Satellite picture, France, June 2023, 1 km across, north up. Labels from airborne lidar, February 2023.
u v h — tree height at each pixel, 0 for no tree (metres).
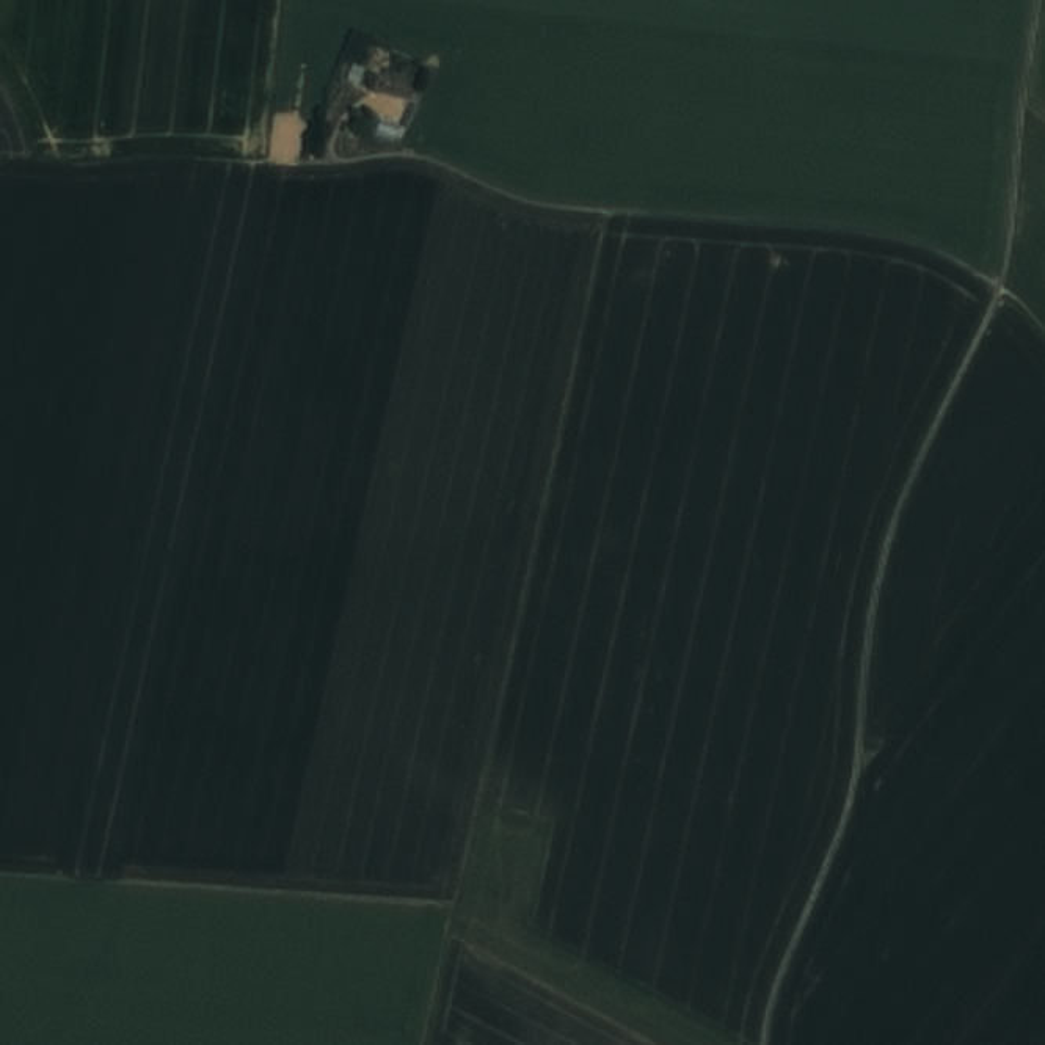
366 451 0
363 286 0
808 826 0
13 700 0
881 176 0
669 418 0
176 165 0
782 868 0
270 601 0
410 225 0
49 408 0
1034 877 0
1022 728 0
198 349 0
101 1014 0
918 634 0
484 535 0
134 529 0
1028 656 0
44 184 0
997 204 0
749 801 0
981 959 0
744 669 0
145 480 0
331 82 7
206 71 0
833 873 0
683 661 0
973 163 0
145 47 0
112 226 0
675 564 0
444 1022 0
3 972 0
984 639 0
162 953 0
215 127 0
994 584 0
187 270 0
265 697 0
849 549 0
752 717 0
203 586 0
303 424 0
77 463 0
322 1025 0
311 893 0
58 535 0
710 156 0
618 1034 0
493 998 0
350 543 0
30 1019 0
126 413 0
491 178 0
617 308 0
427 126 0
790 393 0
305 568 0
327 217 0
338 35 0
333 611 0
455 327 0
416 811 0
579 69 0
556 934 0
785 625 0
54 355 0
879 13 0
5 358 0
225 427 0
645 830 0
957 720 0
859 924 0
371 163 0
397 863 0
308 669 0
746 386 0
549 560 0
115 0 0
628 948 0
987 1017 0
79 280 0
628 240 0
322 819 0
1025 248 0
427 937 0
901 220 0
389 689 0
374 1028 0
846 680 0
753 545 0
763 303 0
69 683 0
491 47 0
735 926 0
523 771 0
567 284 0
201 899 0
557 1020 0
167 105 0
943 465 0
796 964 0
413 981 0
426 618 0
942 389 0
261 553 0
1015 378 0
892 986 0
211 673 0
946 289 0
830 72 0
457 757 0
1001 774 0
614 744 0
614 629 0
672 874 0
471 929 0
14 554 0
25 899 0
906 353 0
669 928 0
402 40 0
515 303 0
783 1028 0
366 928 0
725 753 0
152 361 0
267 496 0
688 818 0
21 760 0
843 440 0
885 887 0
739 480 0
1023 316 0
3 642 0
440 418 0
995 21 0
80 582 0
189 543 0
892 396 0
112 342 0
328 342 0
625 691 0
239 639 0
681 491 0
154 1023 0
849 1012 0
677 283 0
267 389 0
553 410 0
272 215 0
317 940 0
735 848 0
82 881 0
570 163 0
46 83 0
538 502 0
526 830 0
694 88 0
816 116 0
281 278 0
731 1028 0
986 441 0
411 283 0
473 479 0
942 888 0
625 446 0
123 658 0
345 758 0
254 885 0
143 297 0
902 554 0
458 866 0
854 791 0
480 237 0
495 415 0
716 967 0
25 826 0
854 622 0
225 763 0
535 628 0
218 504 0
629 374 0
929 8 0
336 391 0
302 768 0
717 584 0
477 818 0
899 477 0
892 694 0
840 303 0
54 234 0
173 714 0
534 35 0
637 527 0
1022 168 0
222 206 0
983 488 0
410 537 0
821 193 0
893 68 0
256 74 0
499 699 0
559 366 0
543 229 0
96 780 0
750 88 0
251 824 0
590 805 0
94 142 0
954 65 0
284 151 0
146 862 0
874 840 0
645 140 0
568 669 0
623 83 0
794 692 0
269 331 0
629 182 0
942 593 0
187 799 0
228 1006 0
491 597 0
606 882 0
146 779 0
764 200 0
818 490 0
